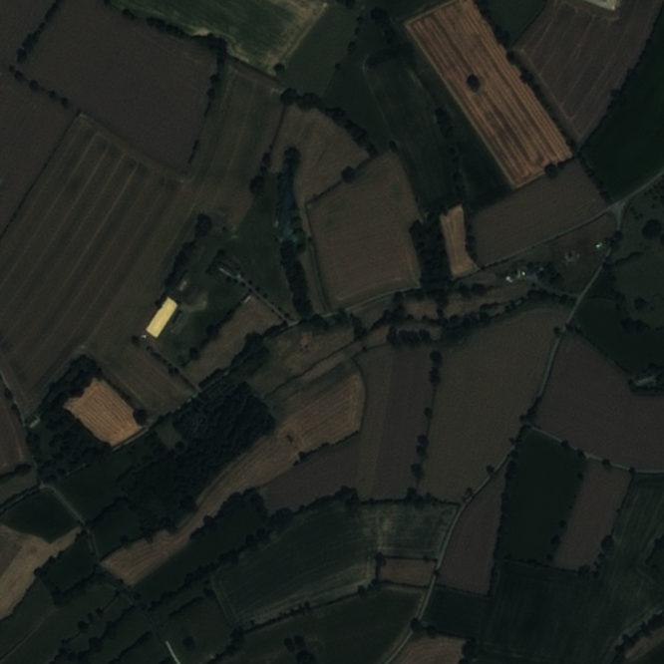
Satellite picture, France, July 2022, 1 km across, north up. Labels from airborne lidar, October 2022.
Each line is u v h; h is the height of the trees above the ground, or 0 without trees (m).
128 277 0
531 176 0
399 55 0
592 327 0
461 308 0
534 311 0
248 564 0
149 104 0
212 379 11
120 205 0
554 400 0
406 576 0
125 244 0
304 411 0
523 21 0
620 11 0
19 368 0
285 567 0
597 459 0
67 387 13
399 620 0
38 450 11
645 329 17
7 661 0
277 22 0
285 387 0
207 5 0
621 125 0
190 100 0
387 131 0
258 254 0
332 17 0
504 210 0
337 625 0
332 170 0
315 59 0
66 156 0
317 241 0
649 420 0
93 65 0
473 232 9
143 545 0
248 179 0
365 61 0
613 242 14
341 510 0
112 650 0
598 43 0
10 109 0
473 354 0
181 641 0
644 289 0
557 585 0
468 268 0
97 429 0
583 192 0
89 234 0
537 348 0
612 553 0
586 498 0
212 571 14
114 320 0
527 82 12
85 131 0
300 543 0
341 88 0
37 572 10
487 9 11
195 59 0
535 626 0
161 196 0
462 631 0
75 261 0
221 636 0
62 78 0
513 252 0
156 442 7
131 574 0
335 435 0
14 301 0
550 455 0
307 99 7
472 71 0
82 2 0
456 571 0
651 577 0
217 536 0
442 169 0
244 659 0
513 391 0
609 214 0
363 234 0
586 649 0
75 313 0
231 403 31
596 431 0
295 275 31
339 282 0
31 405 0
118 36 0
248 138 0
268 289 0
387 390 0
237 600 0
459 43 0
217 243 0
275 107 0
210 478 25
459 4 0
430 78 0
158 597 0
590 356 0
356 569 0
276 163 0
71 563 0
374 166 0
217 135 0
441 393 0
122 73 0
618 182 0
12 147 0
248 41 0
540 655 0
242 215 0
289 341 0
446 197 0
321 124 0
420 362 0
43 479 13
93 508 0
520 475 0
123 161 0
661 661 0
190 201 0
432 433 0
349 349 0
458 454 0
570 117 0
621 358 0
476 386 0
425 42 0
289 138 0
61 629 0
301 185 0
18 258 0
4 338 0
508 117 0
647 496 0
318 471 0
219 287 0
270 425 22
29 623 0
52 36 0
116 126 0
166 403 0
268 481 0
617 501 0
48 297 0
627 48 0
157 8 0
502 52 0
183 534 0
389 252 0
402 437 0
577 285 0
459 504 7
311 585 0
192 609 6
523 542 0
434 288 8
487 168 0
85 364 7
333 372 0
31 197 0
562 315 0
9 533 0
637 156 0
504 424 0
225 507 14
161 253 0
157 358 7
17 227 0
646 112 0
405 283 0
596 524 0
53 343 0
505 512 16
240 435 26
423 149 0
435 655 0
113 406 0
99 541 0
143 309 0
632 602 0
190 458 20
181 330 0
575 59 0
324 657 0
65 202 0
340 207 0
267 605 0
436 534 0
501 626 0
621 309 14
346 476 0
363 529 0
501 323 0
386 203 0
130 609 8
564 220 0
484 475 0
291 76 0
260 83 0
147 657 0
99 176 0
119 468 0
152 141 0
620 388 0
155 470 10
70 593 10
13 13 0
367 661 0
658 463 0
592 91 0
